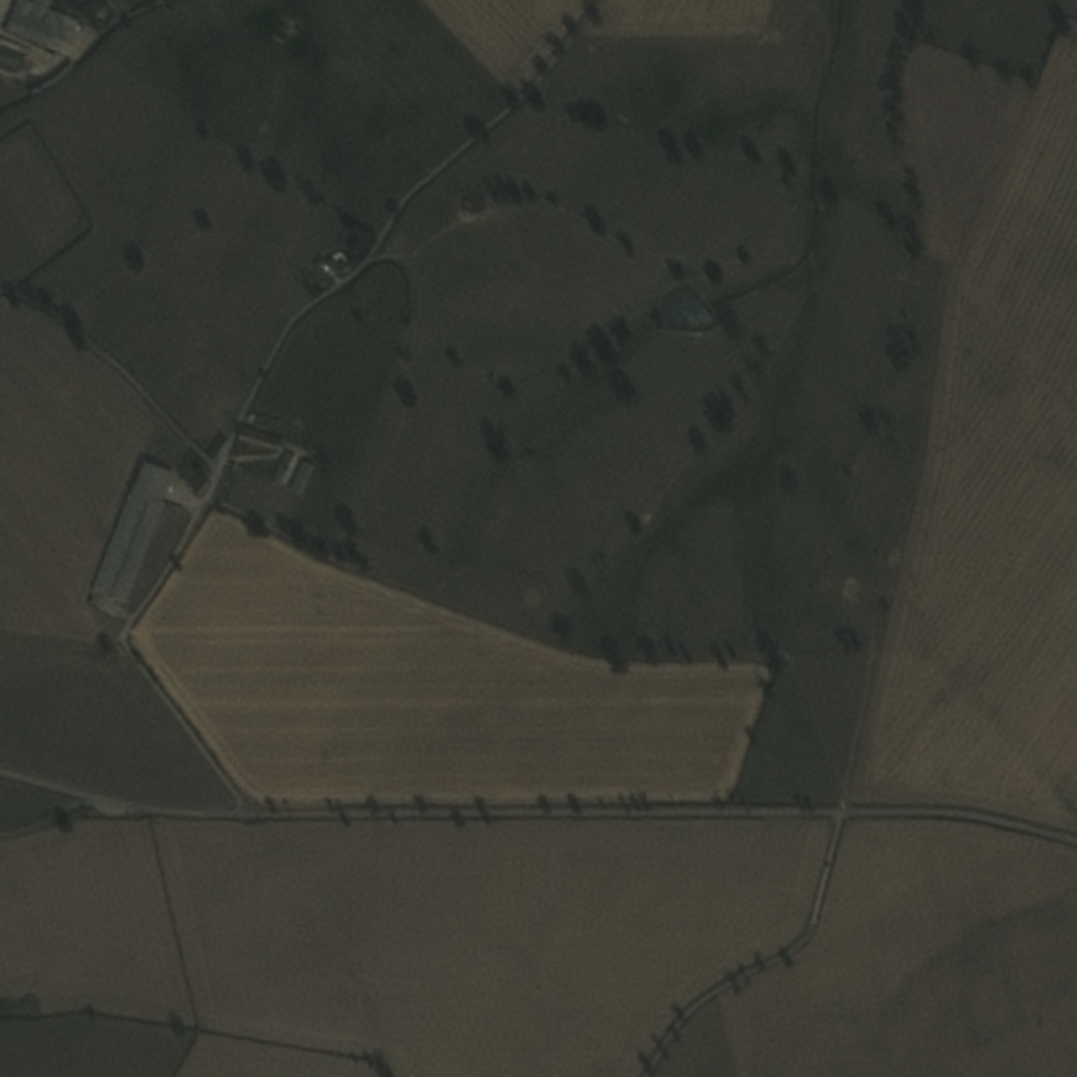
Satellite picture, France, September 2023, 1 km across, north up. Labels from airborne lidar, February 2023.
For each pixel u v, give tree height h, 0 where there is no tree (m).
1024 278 0
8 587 0
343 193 0
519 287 0
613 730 0
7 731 0
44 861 0
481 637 0
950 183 0
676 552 0
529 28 0
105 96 0
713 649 0
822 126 0
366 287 0
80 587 0
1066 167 0
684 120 0
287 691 0
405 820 0
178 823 0
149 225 0
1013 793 0
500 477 0
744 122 0
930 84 0
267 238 0
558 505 0
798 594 0
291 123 0
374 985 0
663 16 0
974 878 0
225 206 0
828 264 0
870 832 0
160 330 0
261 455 0
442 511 0
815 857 0
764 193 0
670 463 0
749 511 0
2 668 0
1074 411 0
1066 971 0
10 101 0
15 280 0
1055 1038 0
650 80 0
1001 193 0
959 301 0
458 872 0
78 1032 0
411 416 0
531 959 0
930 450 0
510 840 0
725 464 0
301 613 0
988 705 0
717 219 0
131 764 0
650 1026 0
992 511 0
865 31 0
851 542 0
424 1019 0
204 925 0
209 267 0
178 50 0
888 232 0
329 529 0
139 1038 0
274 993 0
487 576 0
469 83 0
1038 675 0
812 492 0
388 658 0
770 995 0
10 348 0
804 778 0
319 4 0
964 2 0
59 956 0
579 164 0
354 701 0
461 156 0
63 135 0
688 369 0
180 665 0
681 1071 0
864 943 0
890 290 0
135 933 0
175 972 0
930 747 0
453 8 0
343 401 0
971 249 0
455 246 0
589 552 0
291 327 0
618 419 0
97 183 0
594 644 0
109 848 0
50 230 0
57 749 0
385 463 0
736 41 0
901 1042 0
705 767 0
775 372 0
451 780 0
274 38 0
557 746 0
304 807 0
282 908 0
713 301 0
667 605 0
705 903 0
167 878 0
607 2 0
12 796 0
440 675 0
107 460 0
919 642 0
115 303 0
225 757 0
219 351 0
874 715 0
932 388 0
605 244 0
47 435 0
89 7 0
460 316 0
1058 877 0
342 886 0
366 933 0
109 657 0
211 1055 0
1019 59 0
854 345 0
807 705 0
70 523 0
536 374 0
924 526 0
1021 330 0
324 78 0
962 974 0
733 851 0
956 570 0
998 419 0
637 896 0
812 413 0
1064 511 0
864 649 0
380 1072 13
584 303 0
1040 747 0
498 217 0
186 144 0
